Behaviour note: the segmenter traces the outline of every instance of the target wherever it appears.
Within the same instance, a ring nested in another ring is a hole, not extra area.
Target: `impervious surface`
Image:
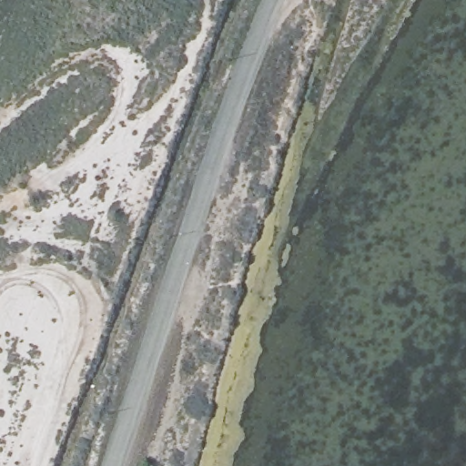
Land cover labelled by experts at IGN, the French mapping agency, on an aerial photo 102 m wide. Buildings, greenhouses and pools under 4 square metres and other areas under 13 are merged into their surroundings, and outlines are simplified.
[[[279,0],[262,0],[249,29],[248,38],[240,51],[240,58],[235,64],[235,80],[222,100],[217,120],[213,122],[213,137],[209,138],[204,160],[198,167],[197,180],[182,217],[177,244],[167,262],[166,277],[160,282],[155,306],[147,320],[137,364],[127,384],[126,397],[120,406],[115,433],[107,448],[104,466],[129,466],[133,457],[133,446],[137,441],[138,428],[146,417],[147,400],[153,391],[155,375],[166,349],[167,339],[175,322],[182,322],[178,308],[186,299],[187,286],[195,268],[191,260],[200,238],[204,235],[202,222],[206,217],[209,202],[213,200],[220,186],[228,182],[229,177],[229,166],[235,157],[233,138],[237,133],[242,109],[248,100],[251,87],[255,84],[258,67],[266,55],[266,49],[273,44],[273,40],[269,38],[268,33],[271,15]]]

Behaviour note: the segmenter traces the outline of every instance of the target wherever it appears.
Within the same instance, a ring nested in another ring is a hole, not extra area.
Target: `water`
[[[238,444],[231,466],[466,466],[466,0],[415,0],[415,4],[411,5],[410,16],[404,20],[399,33],[391,40],[380,66],[377,66],[373,64],[373,58],[379,51],[382,36],[395,15],[400,0],[382,0],[384,5],[377,11],[380,22],[375,33],[370,36],[368,44],[357,56],[357,60],[349,66],[348,73],[337,87],[337,95],[329,104],[322,120],[315,120],[313,131],[300,155],[299,180],[293,193],[293,204],[286,226],[286,235],[280,240],[275,253],[280,284],[275,288],[275,304],[271,309],[271,315],[260,329],[260,355],[253,375],[253,390],[244,400],[240,417],[244,439]]]
[[[349,0],[335,0],[326,24],[326,29],[331,35],[340,35]]]

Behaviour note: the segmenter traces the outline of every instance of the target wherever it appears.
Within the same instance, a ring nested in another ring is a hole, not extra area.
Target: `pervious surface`
[[[269,38],[273,40],[273,36],[280,31],[284,22],[291,9],[302,4],[304,0],[279,0],[271,15],[268,33]]]
[[[197,386],[197,382],[213,384],[215,370],[211,364],[204,364],[197,370],[193,362],[184,359],[187,333],[198,331],[202,339],[222,348],[224,339],[228,337],[229,320],[233,309],[228,299],[222,300],[220,328],[215,329],[213,335],[208,335],[206,326],[195,326],[193,322],[204,306],[209,289],[229,286],[237,288],[240,284],[244,264],[238,262],[235,262],[231,269],[231,280],[228,282],[217,280],[213,275],[220,262],[218,242],[228,240],[229,222],[231,218],[238,218],[244,211],[244,198],[248,193],[253,173],[246,173],[246,162],[238,166],[237,177],[229,177],[228,182],[220,186],[213,200],[209,202],[206,217],[202,222],[204,235],[211,235],[211,255],[206,268],[195,268],[187,286],[186,299],[178,308],[182,322],[184,329],[180,351],[175,362],[173,382],[169,386],[166,408],[155,441],[149,446],[151,457],[147,457],[142,466],[193,466],[206,419],[193,419],[184,408],[184,400],[193,395],[193,388]]]
[[[89,258],[91,248],[89,242],[55,238],[55,228],[60,228],[62,217],[76,215],[93,220],[91,237],[106,240],[115,240],[115,226],[109,220],[109,208],[113,202],[120,202],[120,208],[126,211],[129,220],[133,222],[133,229],[116,266],[115,275],[111,277],[111,286],[104,288],[104,284],[98,280],[91,282],[84,279],[82,275],[67,269],[64,264],[31,266],[31,258],[42,257],[42,253],[27,249],[20,251],[22,262],[16,269],[0,269],[0,466],[53,466],[58,446],[66,437],[67,424],[71,411],[75,408],[80,386],[84,384],[86,371],[91,366],[102,331],[106,328],[109,313],[113,308],[113,299],[118,295],[120,277],[127,268],[127,257],[131,249],[135,248],[135,240],[140,233],[140,222],[146,217],[158,178],[166,166],[167,151],[177,135],[178,122],[186,111],[191,89],[197,84],[200,76],[204,56],[202,46],[209,46],[209,31],[213,27],[209,0],[204,0],[200,31],[197,38],[187,44],[186,66],[180,69],[177,82],[167,89],[166,95],[153,107],[151,111],[138,116],[137,120],[129,120],[127,104],[133,100],[140,78],[147,75],[147,66],[146,62],[142,62],[142,56],[131,53],[127,47],[104,44],[86,51],[75,51],[69,53],[69,56],[55,58],[51,66],[56,69],[62,62],[71,64],[87,60],[91,55],[109,55],[115,58],[120,66],[120,75],[116,80],[118,86],[115,87],[115,106],[111,109],[106,122],[96,129],[95,135],[89,138],[73,157],[64,157],[64,149],[67,147],[64,140],[58,144],[58,155],[53,158],[55,169],[40,164],[31,173],[29,186],[20,191],[5,193],[0,200],[0,238],[7,238],[9,242],[27,242],[46,242],[56,248],[84,251],[84,266],[89,269],[96,268],[95,260]],[[135,153],[140,151],[140,144],[147,129],[153,127],[158,118],[164,115],[167,104],[173,106],[173,115],[167,120],[169,131],[166,137],[160,140],[160,144],[155,146],[153,162],[140,169],[138,162],[135,162]],[[86,175],[87,180],[78,187],[76,193],[66,198],[60,182],[64,182],[75,173]],[[36,191],[49,193],[49,208],[42,211],[33,209],[29,197],[35,195]],[[18,337],[20,359],[33,362],[33,366],[16,366],[9,373],[5,373],[7,353],[15,337]]]
[[[98,428],[87,466],[95,466],[100,444],[104,439],[104,428]]]
[[[9,126],[16,116],[22,115],[27,107],[44,100],[49,89],[56,89],[60,84],[66,84],[71,76],[78,75],[78,71],[69,71],[55,78],[53,84],[42,87],[38,95],[27,98],[22,106],[9,107],[0,107],[0,131]]]
[[[271,315],[271,309],[275,304],[275,288],[280,284],[275,253],[269,253],[273,228],[282,224],[286,226],[293,204],[293,193],[299,180],[300,155],[313,131],[315,120],[313,106],[306,102],[295,129],[289,144],[279,191],[275,193],[275,206],[269,213],[268,220],[264,222],[262,238],[255,246],[255,260],[249,268],[246,284],[248,295],[240,308],[238,328],[231,340],[226,359],[226,362],[218,382],[217,413],[213,419],[200,466],[231,466],[238,444],[244,439],[240,417],[244,400],[253,390],[253,375],[260,355],[260,329]]]

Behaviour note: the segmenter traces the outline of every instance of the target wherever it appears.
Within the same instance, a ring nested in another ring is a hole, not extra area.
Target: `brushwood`
[[[202,339],[198,331],[187,333],[184,359],[193,362],[197,370],[204,364],[211,364],[215,370],[220,360],[226,362],[226,359],[222,357],[222,348]]]
[[[313,7],[319,13],[320,22],[326,24],[335,0],[315,0]]]
[[[266,55],[258,67],[255,84],[251,87],[248,100],[242,109],[237,133],[233,138],[235,157],[229,166],[229,177],[237,177],[238,166],[246,162],[246,173],[253,173],[248,193],[255,200],[268,198],[271,186],[260,184],[260,175],[269,166],[269,146],[275,146],[280,140],[277,120],[280,106],[286,100],[291,69],[297,66],[297,42],[306,38],[304,31],[284,22],[280,31],[273,36],[273,40],[273,44],[266,49]]]
[[[380,22],[377,11],[384,5],[382,0],[349,0],[340,35],[331,35],[326,29],[315,42],[315,46],[302,55],[306,73],[300,82],[299,95],[295,102],[297,109],[289,124],[291,129],[295,129],[306,102],[313,106],[315,120],[322,120],[329,104],[337,95],[337,87],[348,73],[349,66],[357,60],[357,56],[368,44],[370,36],[375,33]]]
[[[49,193],[36,191],[35,195],[29,197],[33,209],[42,211],[49,208]]]
[[[173,115],[173,106],[167,104],[164,115],[158,118],[153,127],[147,129],[140,144],[140,151],[135,153],[135,162],[138,162],[140,169],[153,162],[155,146],[160,144],[160,140],[166,137],[169,131],[167,120]]]
[[[206,419],[193,466],[200,466],[213,419]]]
[[[49,89],[44,100],[27,107],[22,115],[16,116],[9,126],[0,131],[0,189],[7,191],[9,182],[15,175],[31,173],[40,164],[55,169],[53,158],[58,155],[58,144],[64,140],[67,133],[80,120],[95,113],[98,107],[107,106],[111,109],[115,106],[115,87],[118,86],[116,80],[109,76],[106,67],[98,66],[93,69],[87,60],[71,64],[67,67],[69,71],[78,71],[78,75],[71,76],[66,84],[60,84],[56,89]]]
[[[166,408],[169,386],[173,382],[175,362],[180,351],[184,329],[182,322],[175,322],[167,339],[166,349],[155,375],[153,391],[147,400],[146,417],[138,428],[137,441],[133,446],[133,457],[129,466],[142,466],[147,457],[151,457],[149,446],[155,441]]]
[[[135,104],[153,107],[166,95],[167,89],[177,82],[180,69],[186,66],[187,44],[197,38],[200,31],[204,0],[0,0],[0,107],[9,107],[11,95],[24,95],[27,84],[33,82],[36,76],[42,75],[46,67],[51,66],[55,58],[69,56],[69,53],[75,51],[86,51],[104,44],[127,47],[131,53],[142,56],[142,62],[146,62],[147,66],[147,75],[140,78],[133,100]]]
[[[9,373],[16,366],[33,366],[33,362],[20,359],[18,337],[15,337],[7,353],[5,373]]]
[[[66,198],[76,193],[78,187],[87,180],[86,175],[75,173],[64,182],[60,182]]]
[[[89,258],[95,260],[96,268],[98,280],[104,284],[104,288],[111,286],[111,277],[115,275],[116,266],[133,229],[133,222],[129,220],[126,211],[120,208],[120,202],[113,202],[109,208],[109,220],[115,226],[115,240],[106,240],[102,248],[91,248]]]
[[[27,249],[27,242],[9,242],[7,238],[0,238],[0,269],[16,269],[22,262],[20,251]]]
[[[127,257],[127,268],[120,277],[118,295],[113,299],[113,308],[109,313],[106,328],[102,331],[91,366],[86,371],[84,384],[80,386],[75,408],[71,411],[67,424],[66,437],[58,446],[53,466],[87,466],[98,428],[104,428],[104,439],[100,444],[95,466],[104,466],[107,448],[115,433],[120,406],[126,397],[127,384],[137,364],[147,320],[155,306],[160,282],[166,277],[167,262],[177,244],[182,217],[197,180],[198,167],[204,160],[209,138],[213,137],[213,122],[217,120],[222,100],[235,80],[235,64],[240,58],[240,51],[248,38],[249,29],[262,0],[209,0],[213,27],[209,31],[209,46],[202,46],[204,56],[200,76],[197,84],[191,89],[186,111],[178,122],[177,135],[167,151],[166,166],[158,178],[146,217],[140,222],[140,233],[135,240],[135,248],[131,249]],[[129,320],[127,324],[131,329],[127,349],[120,355],[118,364],[115,364],[107,357],[109,342],[115,333],[120,311],[126,304],[127,293],[142,257],[142,249],[146,246],[149,231],[162,204],[166,208],[175,208],[175,211],[167,220],[166,231],[160,235],[164,240],[162,253],[155,260],[155,269],[151,273],[151,280],[147,282],[147,291],[138,306],[137,317]],[[78,419],[86,406],[91,384],[104,388],[107,391],[106,399],[102,402],[93,424],[78,426]]]
[[[415,4],[415,0],[400,0],[395,15],[382,36],[379,51],[373,58],[373,64],[377,66],[380,66],[391,40],[399,33],[404,20],[410,16],[411,5]]]

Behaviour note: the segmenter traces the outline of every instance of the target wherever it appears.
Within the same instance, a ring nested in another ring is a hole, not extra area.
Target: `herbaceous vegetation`
[[[107,391],[104,388],[91,384],[86,406],[78,419],[78,426],[93,424],[102,402],[106,399]]]
[[[76,215],[62,217],[60,228],[55,228],[55,238],[89,242],[91,248],[102,248],[106,240],[91,237],[93,220]]]
[[[80,120],[67,133],[64,140],[67,147],[64,149],[64,157],[73,157],[89,138],[95,135],[96,129],[106,122],[111,109],[107,106],[98,107],[95,113]]]
[[[29,186],[31,173],[15,175],[9,182],[7,191],[0,189],[0,200],[5,193],[20,191]]]
[[[191,260],[195,268],[206,268],[211,255],[211,235],[204,235],[200,238]]]
[[[137,120],[138,116],[151,111],[153,107],[135,104],[133,100],[127,104],[129,120]]]
[[[228,299],[233,309],[229,320],[228,337],[224,339],[222,348],[222,357],[226,359],[231,340],[238,328],[240,308],[248,295],[246,284],[249,268],[255,260],[255,246],[262,238],[264,222],[268,220],[269,213],[275,206],[275,193],[279,191],[289,144],[295,129],[291,129],[289,124],[297,109],[295,102],[299,95],[300,82],[306,73],[302,55],[315,46],[315,42],[326,29],[326,24],[320,22],[319,13],[313,7],[315,0],[304,0],[302,4],[291,9],[284,22],[304,31],[306,38],[297,42],[297,66],[291,69],[286,100],[280,106],[277,120],[280,140],[275,146],[269,146],[269,166],[260,175],[260,184],[271,186],[268,198],[255,200],[248,193],[244,198],[244,211],[238,218],[231,218],[229,222],[228,240],[218,242],[220,262],[213,275],[217,280],[228,282],[231,280],[231,269],[235,262],[238,262],[244,264],[240,284],[237,288],[229,286],[209,289],[204,306],[193,322],[195,326],[206,326],[208,335],[213,335],[215,329],[220,328],[222,300]]]
[[[115,333],[109,342],[107,357],[115,364],[118,364],[120,355],[127,349],[131,329],[127,324],[129,320],[137,317],[138,306],[147,291],[147,282],[151,280],[151,273],[155,269],[155,260],[162,253],[164,240],[160,235],[166,231],[167,220],[175,211],[175,208],[166,208],[162,204],[149,231],[146,246],[142,249],[142,257],[127,293],[126,304],[120,311]]]
[[[197,382],[197,386],[193,388],[193,395],[184,400],[184,408],[193,419],[206,419],[213,419],[217,413],[218,382],[226,362],[220,360],[215,370],[213,384]]]
[[[109,76],[116,80],[120,75],[120,66],[115,58],[109,55],[91,55],[87,60],[93,69],[98,66],[106,67]]]
[[[36,76],[33,82],[27,84],[24,95],[11,95],[9,107],[22,106],[27,98],[38,95],[42,87],[53,84],[55,78],[69,71],[67,67],[71,64],[62,62],[56,69],[51,66],[46,67],[42,75]]]
[[[27,242],[27,249],[42,253],[42,257],[31,258],[31,266],[64,264],[67,269],[82,275],[84,279],[91,282],[98,280],[96,268],[89,269],[84,266],[84,251],[56,248],[46,242]]]
[[[275,253],[280,240],[286,235],[286,226],[282,224],[273,228],[269,253]]]

